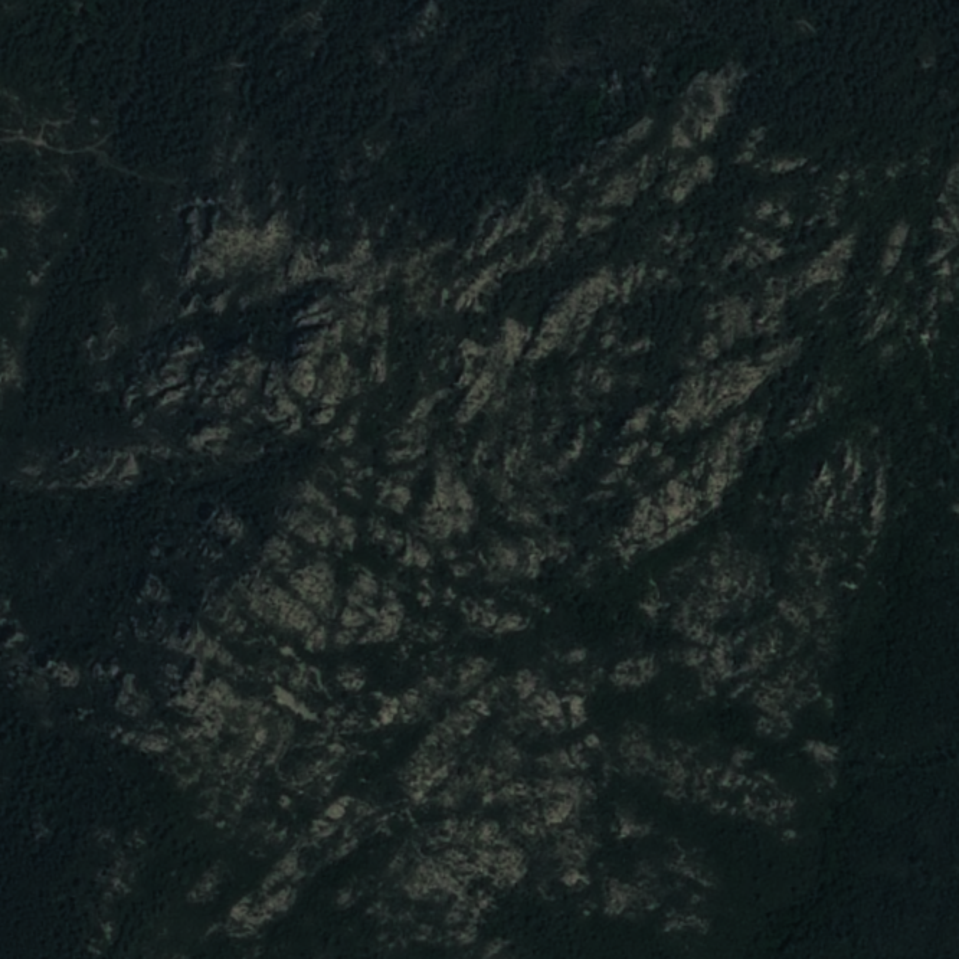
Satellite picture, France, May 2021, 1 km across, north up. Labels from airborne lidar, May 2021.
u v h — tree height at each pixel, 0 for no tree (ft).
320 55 45
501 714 25
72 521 35
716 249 63
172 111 43
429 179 39
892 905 24
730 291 33
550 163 45
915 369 41
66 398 51
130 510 54
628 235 58
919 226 22
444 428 24
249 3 42
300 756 18
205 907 19
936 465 29
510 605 21
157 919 34
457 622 20
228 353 23
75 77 53
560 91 28
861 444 37
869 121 21
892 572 46
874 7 73
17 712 37
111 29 64
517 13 62
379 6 47
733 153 47
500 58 44
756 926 23
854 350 48
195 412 39
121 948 43
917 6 59
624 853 20
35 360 46
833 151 46
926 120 53
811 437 22
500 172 38
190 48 48
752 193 57
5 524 49
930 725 20
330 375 0
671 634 37
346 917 33
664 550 22
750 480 31
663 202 51
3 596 28
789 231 20
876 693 29
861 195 26
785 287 21
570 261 36
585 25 23
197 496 45
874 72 62
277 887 18
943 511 24
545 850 19
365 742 23
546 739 25
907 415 38
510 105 35
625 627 51
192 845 41
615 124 19
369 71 62
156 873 31
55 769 35
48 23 47
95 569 17
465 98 33
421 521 23
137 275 21
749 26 58
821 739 23
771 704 0
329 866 19
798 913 76
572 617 20
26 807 33
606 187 25
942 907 22
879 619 28
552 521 78
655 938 33
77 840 46
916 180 51
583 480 21
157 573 21
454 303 54
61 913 36
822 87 66
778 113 39
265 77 58
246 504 30
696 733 19
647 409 27
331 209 45
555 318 23
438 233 40
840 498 23
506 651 19
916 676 32
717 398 26
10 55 47
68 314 46
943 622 20
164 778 28
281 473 49
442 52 39
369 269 0
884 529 29
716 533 25
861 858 18
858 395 22
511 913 23
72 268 46
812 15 27
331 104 39
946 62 41
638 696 24
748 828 40
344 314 0
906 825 23
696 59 34
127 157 39
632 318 54
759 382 21
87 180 44
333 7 35
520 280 42
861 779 42
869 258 38
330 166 38
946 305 36
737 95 21
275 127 26
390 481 23
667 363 45
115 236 49
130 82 68
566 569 62
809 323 21
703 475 26
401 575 30
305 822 22
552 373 56
